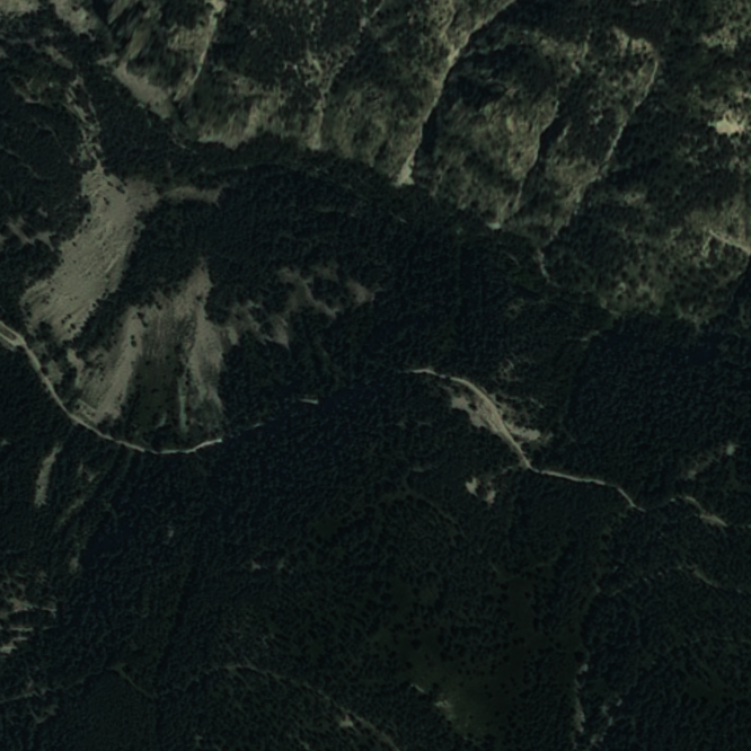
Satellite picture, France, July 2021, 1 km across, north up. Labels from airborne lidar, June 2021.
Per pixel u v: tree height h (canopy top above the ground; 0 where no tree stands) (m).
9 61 8
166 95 0
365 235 19
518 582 0
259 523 20
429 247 24
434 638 0
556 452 7
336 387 15
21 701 8
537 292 7
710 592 26
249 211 19
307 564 24
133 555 12
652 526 24
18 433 20
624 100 11
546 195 8
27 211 17
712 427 23
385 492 19
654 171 12
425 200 8
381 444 10
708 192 9
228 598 20
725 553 29
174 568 15
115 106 11
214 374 0
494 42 9
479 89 18
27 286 7
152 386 0
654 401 26
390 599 21
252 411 12
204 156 10
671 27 10
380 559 19
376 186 9
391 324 14
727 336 11
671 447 9
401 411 10
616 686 20
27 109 20
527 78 12
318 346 19
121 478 20
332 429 23
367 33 7
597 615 23
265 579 16
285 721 19
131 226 0
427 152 13
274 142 11
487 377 10
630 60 8
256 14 7
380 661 13
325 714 19
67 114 10
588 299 7
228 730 18
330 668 21
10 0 0
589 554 22
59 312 0
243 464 19
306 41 9
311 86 7
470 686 0
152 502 24
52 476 8
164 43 7
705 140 10
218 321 10
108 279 0
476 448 9
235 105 9
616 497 24
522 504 9
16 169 16
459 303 10
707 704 16
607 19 16
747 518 25
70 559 7
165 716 24
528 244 7
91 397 0
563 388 10
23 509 16
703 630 24
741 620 25
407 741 22
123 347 0
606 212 15
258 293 18
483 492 15
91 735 19
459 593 26
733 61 15
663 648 22
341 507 18
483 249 14
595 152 11
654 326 12
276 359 12
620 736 16
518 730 7
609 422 14
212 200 0
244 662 17
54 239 10
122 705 22
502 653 7
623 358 20
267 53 10
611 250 12
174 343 0
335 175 15
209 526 14
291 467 24
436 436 11
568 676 0
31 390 18
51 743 11
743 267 8
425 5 8
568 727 13
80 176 14
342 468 13
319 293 15
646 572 22
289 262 18
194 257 11
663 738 11
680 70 7
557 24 10
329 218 22
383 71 6
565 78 9
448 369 9
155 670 11
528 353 21
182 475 24
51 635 11
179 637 22
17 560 15
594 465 15
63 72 13
